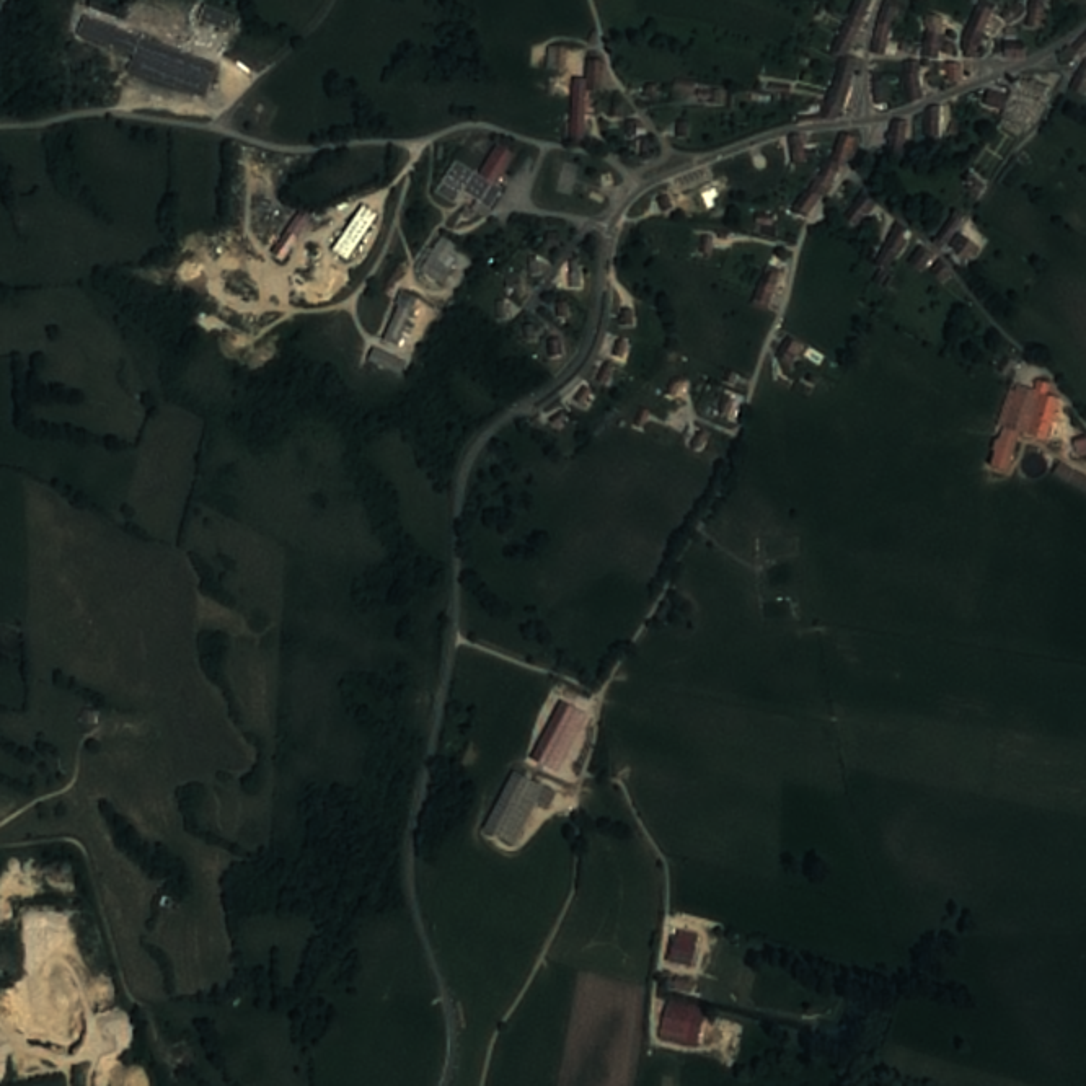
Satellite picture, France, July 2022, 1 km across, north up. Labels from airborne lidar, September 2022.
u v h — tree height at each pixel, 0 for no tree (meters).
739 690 0
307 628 0
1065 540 0
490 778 0
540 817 0
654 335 0
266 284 0
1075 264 0
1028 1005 0
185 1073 18
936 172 20
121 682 0
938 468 0
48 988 0
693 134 0
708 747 0
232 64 0
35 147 0
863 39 0
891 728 0
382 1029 0
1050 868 0
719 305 0
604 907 0
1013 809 0
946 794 0
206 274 0
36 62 7
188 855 0
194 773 0
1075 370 0
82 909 16
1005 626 0
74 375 0
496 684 0
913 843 0
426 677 0
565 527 0
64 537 0
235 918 14
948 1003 31
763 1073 16
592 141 13
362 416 7
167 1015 0
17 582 0
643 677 0
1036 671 0
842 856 0
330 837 11
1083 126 13
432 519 0
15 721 0
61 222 0
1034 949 0
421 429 9
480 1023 0
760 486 0
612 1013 0
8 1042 0
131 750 0
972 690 0
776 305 0
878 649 0
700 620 0
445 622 13
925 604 0
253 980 14
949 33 12
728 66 0
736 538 0
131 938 0
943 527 0
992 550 0
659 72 0
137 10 0
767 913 0
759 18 0
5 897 0
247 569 0
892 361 0
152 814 0
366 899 17
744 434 10
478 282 16
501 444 14
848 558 0
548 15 0
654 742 0
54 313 0
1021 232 0
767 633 0
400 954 0
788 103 10
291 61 0
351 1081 0
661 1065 0
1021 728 0
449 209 0
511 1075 0
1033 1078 0
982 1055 0
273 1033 0
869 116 0
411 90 0
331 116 0
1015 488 0
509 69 0
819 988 27
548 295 13
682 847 0
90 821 0
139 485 0
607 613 0
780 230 0
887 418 0
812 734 0
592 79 0
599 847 0
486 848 0
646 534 0
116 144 0
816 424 0
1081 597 0
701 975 0
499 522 20
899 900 0
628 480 0
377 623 0
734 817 0
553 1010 0
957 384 0
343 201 9
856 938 0
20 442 0
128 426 0
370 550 0
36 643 0
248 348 0
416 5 0
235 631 0
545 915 0
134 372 0
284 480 0
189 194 0
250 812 0
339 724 0
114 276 7
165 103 0
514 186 0
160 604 0
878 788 0
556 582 0
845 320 0
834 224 18
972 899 0
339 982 7
